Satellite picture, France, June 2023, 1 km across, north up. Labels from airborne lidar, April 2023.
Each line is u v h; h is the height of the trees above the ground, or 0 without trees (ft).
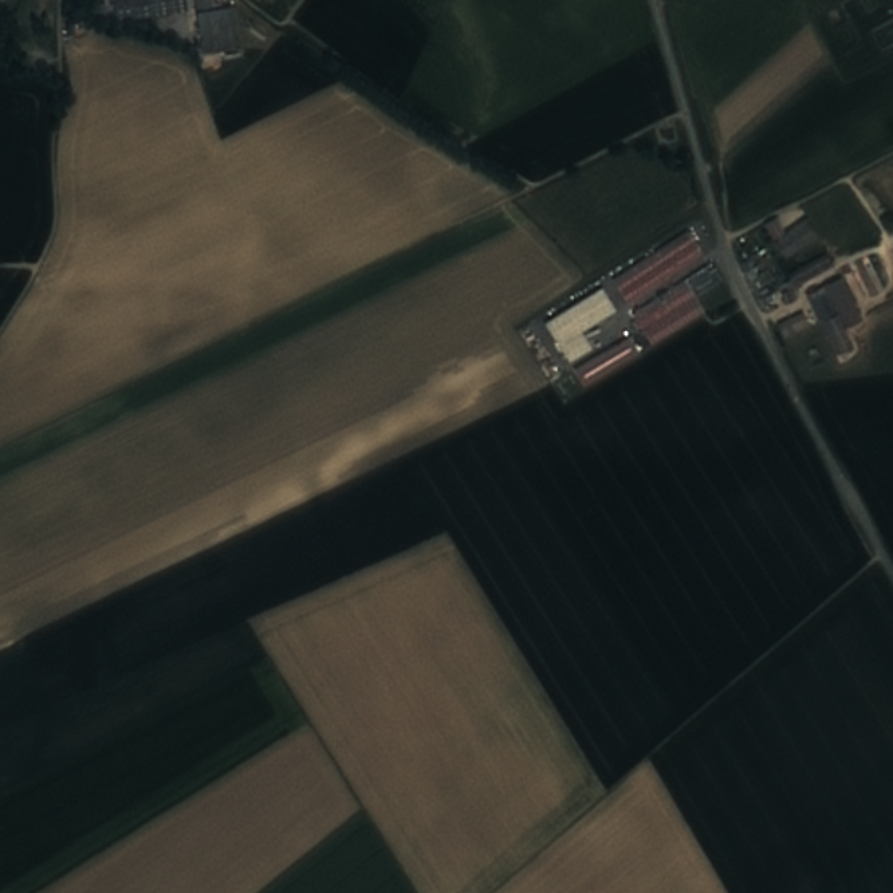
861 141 0
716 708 0
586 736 0
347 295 0
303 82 0
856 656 0
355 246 0
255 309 0
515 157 0
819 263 0
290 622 0
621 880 0
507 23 0
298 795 0
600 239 0
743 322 0
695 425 0
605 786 0
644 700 0
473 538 0
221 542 0
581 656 0
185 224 0
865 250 0
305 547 0
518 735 0
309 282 0
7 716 0
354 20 0
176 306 0
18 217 0
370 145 0
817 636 0
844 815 0
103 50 0
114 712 0
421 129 73
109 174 0
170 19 0
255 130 0
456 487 0
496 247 0
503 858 0
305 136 0
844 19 0
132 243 0
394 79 0
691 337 0
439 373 0
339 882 0
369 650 0
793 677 0
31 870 0
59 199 0
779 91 0
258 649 0
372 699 0
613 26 0
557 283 0
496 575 0
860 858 0
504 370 0
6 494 0
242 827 0
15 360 0
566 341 0
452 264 0
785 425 0
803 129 0
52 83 41
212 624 0
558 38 0
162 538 0
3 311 0
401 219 0
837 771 0
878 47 0
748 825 0
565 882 0
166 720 0
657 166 0
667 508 0
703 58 0
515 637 0
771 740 0
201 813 0
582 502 0
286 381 0
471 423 0
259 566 0
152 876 0
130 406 0
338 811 0
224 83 0
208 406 0
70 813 0
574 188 0
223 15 0
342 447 0
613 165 0
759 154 0
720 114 0
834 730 0
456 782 0
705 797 0
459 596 0
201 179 0
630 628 0
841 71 0
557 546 0
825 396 0
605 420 0
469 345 0
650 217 0
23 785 0
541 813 0
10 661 0
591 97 0
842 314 0
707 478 0
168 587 0
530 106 0
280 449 0
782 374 0
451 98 0
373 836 0
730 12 0
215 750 0
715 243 0
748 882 0
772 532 0
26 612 0
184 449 0
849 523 0
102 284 0
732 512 0
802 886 0
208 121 0
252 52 0
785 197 0
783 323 0
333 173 0
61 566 0
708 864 0
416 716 0
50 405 0
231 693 0
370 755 0
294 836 0
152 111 0
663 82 0
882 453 0
